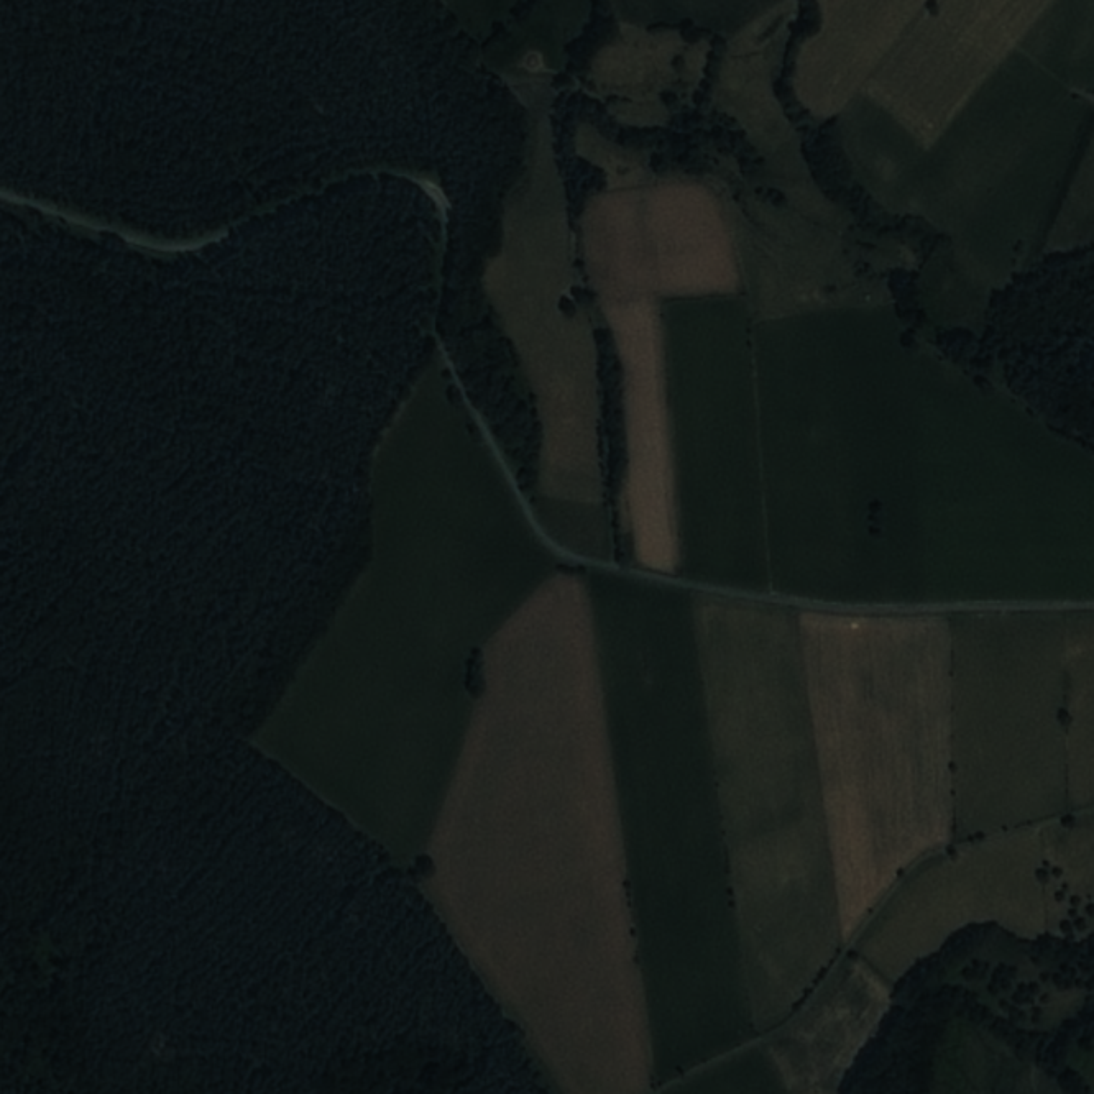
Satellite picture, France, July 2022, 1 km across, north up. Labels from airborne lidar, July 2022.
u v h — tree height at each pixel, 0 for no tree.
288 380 17
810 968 0
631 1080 0
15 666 21
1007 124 0
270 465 20
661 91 0
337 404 20
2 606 22
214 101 17
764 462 0
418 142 22
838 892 0
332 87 16
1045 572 0
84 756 17
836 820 0
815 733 0
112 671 21
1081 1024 12
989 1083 0
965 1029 0
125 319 24
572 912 0
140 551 23
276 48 13
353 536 18
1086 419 8
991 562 0
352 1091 19
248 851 26
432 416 0
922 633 0
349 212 23
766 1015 0
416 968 23
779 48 0
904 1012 20
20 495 19
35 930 21
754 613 0
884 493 0
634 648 0
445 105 19
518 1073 22
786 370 0
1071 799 0
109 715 22
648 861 0
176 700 23
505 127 22
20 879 17
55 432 19
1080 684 0
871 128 0
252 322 21
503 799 0
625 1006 0
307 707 0
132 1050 13
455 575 0
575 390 0
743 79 0
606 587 0
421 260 18
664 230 0
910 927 0
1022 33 0
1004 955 0
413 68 18
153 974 21
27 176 20
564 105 11
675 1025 0
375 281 23
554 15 0
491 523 0
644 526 0
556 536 0
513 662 0
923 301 0
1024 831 0
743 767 0
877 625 0
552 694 0
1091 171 0
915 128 0
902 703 0
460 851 0
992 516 0
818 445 0
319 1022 14
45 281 18
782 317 0
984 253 0
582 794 0
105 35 21
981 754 0
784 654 0
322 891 23
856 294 0
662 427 0
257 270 22
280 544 19
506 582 0
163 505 24
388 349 20
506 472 0
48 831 23
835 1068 0
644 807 0
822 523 0
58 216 0
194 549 24
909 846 0
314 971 19
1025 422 0
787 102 19
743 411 0
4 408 26
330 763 0
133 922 19
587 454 0
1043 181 0
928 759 0
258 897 23
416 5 18
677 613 0
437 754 0
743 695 0
